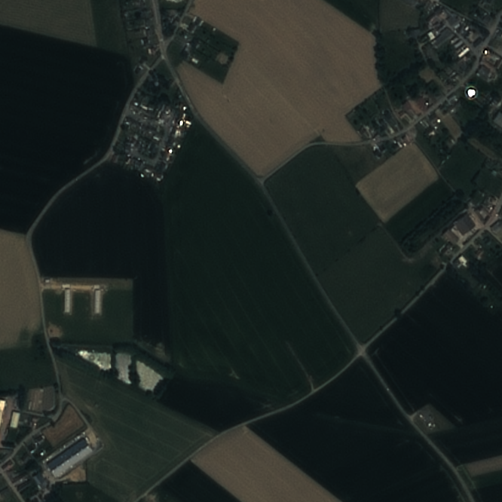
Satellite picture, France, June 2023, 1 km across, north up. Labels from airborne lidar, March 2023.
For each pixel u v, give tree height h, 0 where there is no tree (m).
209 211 0
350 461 0
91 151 0
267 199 0
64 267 0
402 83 12
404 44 0
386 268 0
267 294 0
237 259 0
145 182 0
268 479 0
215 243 0
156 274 0
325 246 0
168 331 0
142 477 0
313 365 0
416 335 0
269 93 0
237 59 0
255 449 0
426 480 0
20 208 0
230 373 0
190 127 0
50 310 0
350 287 0
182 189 0
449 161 0
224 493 0
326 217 0
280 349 0
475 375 0
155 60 0
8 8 0
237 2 0
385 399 0
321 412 0
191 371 0
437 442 0
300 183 0
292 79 0
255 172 0
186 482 0
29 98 0
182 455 0
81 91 0
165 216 0
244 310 0
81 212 0
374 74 0
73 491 0
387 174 0
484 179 0
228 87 0
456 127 0
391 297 0
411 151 0
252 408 0
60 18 0
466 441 0
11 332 0
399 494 0
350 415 0
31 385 0
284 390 0
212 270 0
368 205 0
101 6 0
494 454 0
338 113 0
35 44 0
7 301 0
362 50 0
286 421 0
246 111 0
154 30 0
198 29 0
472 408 0
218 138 0
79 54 0
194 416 0
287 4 0
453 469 0
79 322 0
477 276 18
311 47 0
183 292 0
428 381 0
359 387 0
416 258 0
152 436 0
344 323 0
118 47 0
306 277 0
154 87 18
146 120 0
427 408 0
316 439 0
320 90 0
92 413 0
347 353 0
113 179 0
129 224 0
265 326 0
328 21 0
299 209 0
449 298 0
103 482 0
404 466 0
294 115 0
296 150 0
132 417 0
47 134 0
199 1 0
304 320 0
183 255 0
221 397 0
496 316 0
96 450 0
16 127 0
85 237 0
